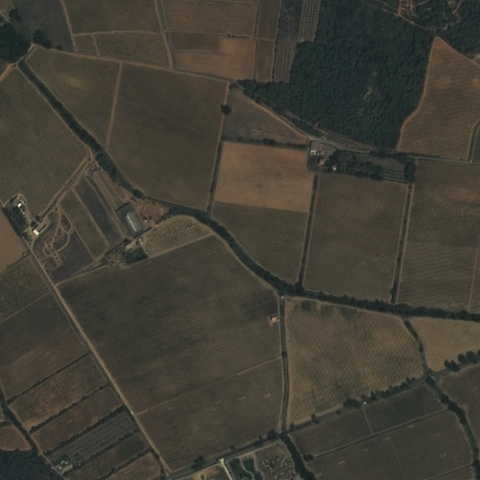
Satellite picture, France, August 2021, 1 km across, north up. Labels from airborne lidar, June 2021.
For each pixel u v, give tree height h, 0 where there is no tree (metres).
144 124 0
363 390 0
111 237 0
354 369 0
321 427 0
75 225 0
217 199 0
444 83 0
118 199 0
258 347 0
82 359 0
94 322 0
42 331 0
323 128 10
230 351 0
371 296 0
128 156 0
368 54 6
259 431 0
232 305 0
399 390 16
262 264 0
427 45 13
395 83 11
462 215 0
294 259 0
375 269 0
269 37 0
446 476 0
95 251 0
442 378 0
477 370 0
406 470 0
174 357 0
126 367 0
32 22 0
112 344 0
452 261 0
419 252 0
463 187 0
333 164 9
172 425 0
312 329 0
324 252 0
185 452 0
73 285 0
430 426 0
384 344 0
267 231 0
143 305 0
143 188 0
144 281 0
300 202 0
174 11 0
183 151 0
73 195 0
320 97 8
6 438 0
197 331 0
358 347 0
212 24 0
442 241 0
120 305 0
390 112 11
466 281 0
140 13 0
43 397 0
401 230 0
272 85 13
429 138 0
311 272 0
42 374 0
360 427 0
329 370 0
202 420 0
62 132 0
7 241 0
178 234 0
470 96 0
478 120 0
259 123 0
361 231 0
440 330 0
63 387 0
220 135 0
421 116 0
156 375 0
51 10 0
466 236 0
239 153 0
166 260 0
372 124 8
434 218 0
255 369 0
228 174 0
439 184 0
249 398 0
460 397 0
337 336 0
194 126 0
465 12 6
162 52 0
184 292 0
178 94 0
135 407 0
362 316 0
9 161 0
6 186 0
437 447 0
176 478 0
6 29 12
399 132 10
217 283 0
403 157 16
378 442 0
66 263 0
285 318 0
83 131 9
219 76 0
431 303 0
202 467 12
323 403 0
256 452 0
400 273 0
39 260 0
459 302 0
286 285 16
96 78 0
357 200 0
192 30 0
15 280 0
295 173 0
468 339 0
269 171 0
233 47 0
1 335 0
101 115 0
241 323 0
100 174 0
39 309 0
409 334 0
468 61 0
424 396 0
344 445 0
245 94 9
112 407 0
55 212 0
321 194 0
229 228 0
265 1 0
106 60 0
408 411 0
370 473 0
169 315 0
